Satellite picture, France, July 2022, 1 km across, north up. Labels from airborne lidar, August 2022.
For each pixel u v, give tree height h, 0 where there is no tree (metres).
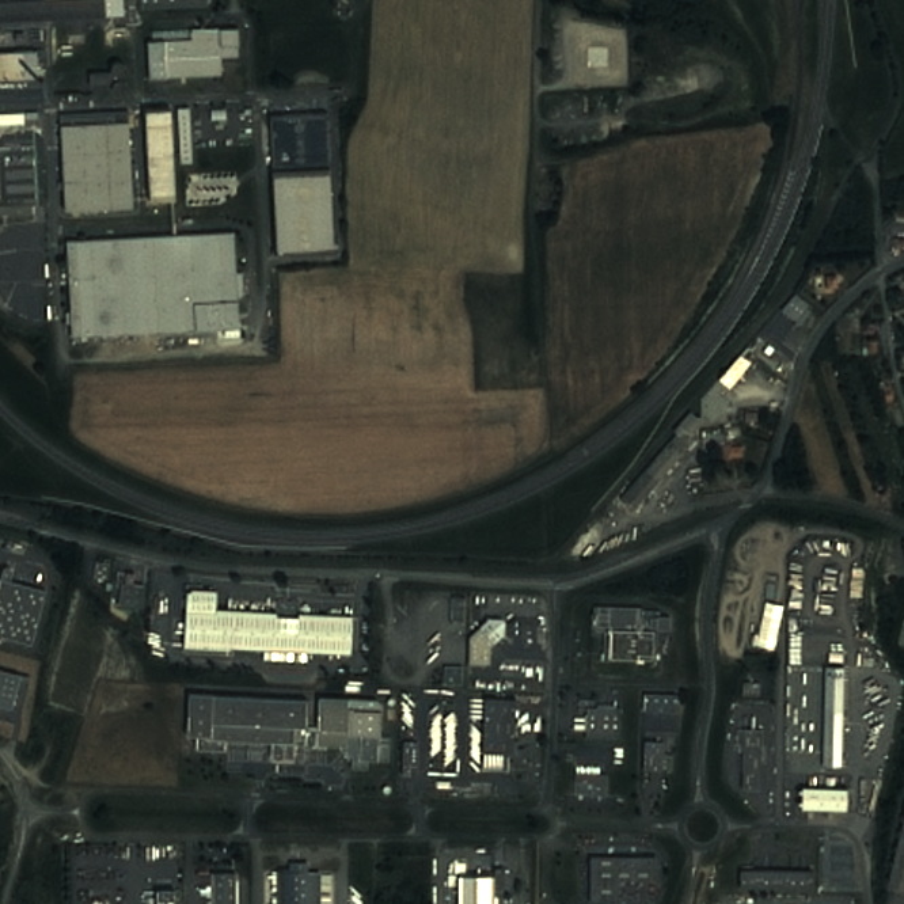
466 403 0
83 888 0
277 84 14
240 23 0
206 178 0
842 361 8
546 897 0
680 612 0
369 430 0
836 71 0
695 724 0
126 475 0
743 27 0
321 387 0
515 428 0
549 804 0
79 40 0
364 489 0
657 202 0
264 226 0
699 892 0
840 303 0
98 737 0
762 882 0
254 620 0
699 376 0
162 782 0
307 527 0
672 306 0
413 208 0
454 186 0
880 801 6
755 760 0
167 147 0
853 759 0
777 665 6
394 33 0
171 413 0
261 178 0
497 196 0
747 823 0
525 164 0
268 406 0
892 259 0
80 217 0
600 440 0
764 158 8
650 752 0
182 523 0
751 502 0
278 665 0
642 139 0
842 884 0
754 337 0
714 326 0
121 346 0
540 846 0
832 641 0
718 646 0
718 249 0
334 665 0
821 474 0
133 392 0
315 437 0
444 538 0
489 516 0
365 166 0
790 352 0
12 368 0
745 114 0
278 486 0
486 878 0
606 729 0
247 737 0
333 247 0
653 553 0
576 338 0
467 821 0
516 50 0
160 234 0
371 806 0
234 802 0
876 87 0
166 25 0
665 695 0
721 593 0
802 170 0
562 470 0
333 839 0
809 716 0
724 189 0
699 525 0
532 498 0
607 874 0
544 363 0
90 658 0
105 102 0
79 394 0
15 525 0
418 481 0
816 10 0
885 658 0
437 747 0
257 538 0
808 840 0
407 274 0
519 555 0
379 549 0
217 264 0
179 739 0
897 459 0
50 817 0
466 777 0
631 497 0
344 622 0
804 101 0
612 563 0
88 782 0
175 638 0
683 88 0
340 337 0
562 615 0
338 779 0
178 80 0
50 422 0
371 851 0
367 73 0
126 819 0
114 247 0
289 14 0
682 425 0
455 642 0
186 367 0
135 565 0
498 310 0
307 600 0
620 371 0
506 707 0
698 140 0
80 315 0
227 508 0
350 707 0
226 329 0
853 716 0
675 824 0
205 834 0
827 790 0
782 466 14
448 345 0
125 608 0
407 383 0
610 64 0
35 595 0
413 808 0
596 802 0
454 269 0
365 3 0
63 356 0
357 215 0
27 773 0
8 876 0
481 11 0
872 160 0
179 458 0
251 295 0
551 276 0
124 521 14
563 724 0
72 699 0
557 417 0
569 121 0
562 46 0
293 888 0
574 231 0
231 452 0
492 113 0
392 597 0
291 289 0
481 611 0
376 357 0
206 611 0
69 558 14
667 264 0
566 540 0
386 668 0
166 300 0
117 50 0
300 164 0
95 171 0
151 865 0
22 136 0
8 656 0
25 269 0
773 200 0
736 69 0
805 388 0
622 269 0
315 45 0
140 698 0
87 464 0
